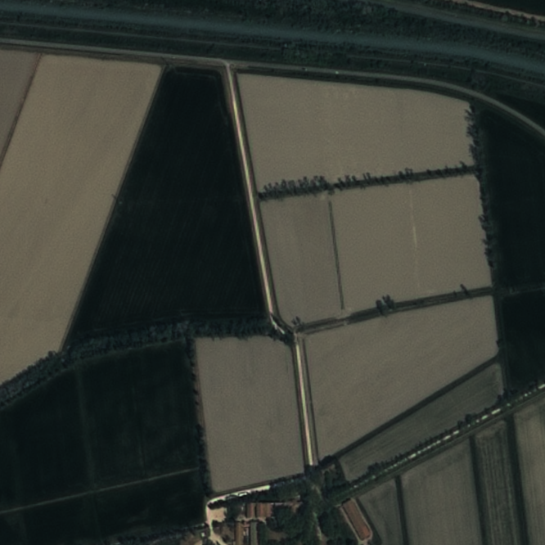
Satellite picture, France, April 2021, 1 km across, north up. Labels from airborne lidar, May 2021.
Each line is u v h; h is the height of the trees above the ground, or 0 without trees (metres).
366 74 0
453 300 0
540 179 0
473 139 20
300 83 0
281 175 0
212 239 0
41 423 0
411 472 0
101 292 0
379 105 0
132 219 0
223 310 0
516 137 0
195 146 0
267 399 0
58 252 0
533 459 0
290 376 0
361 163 0
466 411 0
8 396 24
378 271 0
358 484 13
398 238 0
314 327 0
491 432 0
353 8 18
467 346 0
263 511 0
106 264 0
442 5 9
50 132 0
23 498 0
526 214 0
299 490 25
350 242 0
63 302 0
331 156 0
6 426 0
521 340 0
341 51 6
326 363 0
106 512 0
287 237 0
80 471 0
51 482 0
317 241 0
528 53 8
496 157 0
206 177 0
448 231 0
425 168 0
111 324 0
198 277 0
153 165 0
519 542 0
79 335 0
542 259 0
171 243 0
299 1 23
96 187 0
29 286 0
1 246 0
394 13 13
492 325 0
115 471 0
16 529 0
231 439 0
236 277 0
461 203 0
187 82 0
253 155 0
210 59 0
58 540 0
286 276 0
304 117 0
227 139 0
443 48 0
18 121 0
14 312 0
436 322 0
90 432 0
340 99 0
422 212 0
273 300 0
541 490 0
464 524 0
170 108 0
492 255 21
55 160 0
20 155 0
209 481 17
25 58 0
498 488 0
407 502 0
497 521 0
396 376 0
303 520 19
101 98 0
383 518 0
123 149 0
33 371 18
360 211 0
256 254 0
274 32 0
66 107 0
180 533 11
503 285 0
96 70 0
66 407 0
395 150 0
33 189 0
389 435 0
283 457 0
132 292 0
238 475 0
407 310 0
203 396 0
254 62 0
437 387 0
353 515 0
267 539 14
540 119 0
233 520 12
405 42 0
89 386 0
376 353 0
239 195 0
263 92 0
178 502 0
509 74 0
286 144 0
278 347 0
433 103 0
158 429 0
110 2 7
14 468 0
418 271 0
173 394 0
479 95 0
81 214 0
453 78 0
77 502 0
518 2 0
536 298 0
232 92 0
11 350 0
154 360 0
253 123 0
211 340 20
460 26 8
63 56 0
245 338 22
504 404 19
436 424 0
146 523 0
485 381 0
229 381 0
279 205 0
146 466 0
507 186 0
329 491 18
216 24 0
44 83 0
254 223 0
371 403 0
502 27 0
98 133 0
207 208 0
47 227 0
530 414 0
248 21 9
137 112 0
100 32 0
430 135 0
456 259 0
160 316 0
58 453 0
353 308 0
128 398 0
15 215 0
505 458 0
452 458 0
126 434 0
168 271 0
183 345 0
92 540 0
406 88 0
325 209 0
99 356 18
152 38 0
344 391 0
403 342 0
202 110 0
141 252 0
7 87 0
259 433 0
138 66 0
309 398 0
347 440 0
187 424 0
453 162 0
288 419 0
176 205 0
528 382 0
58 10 0
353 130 0
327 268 0
